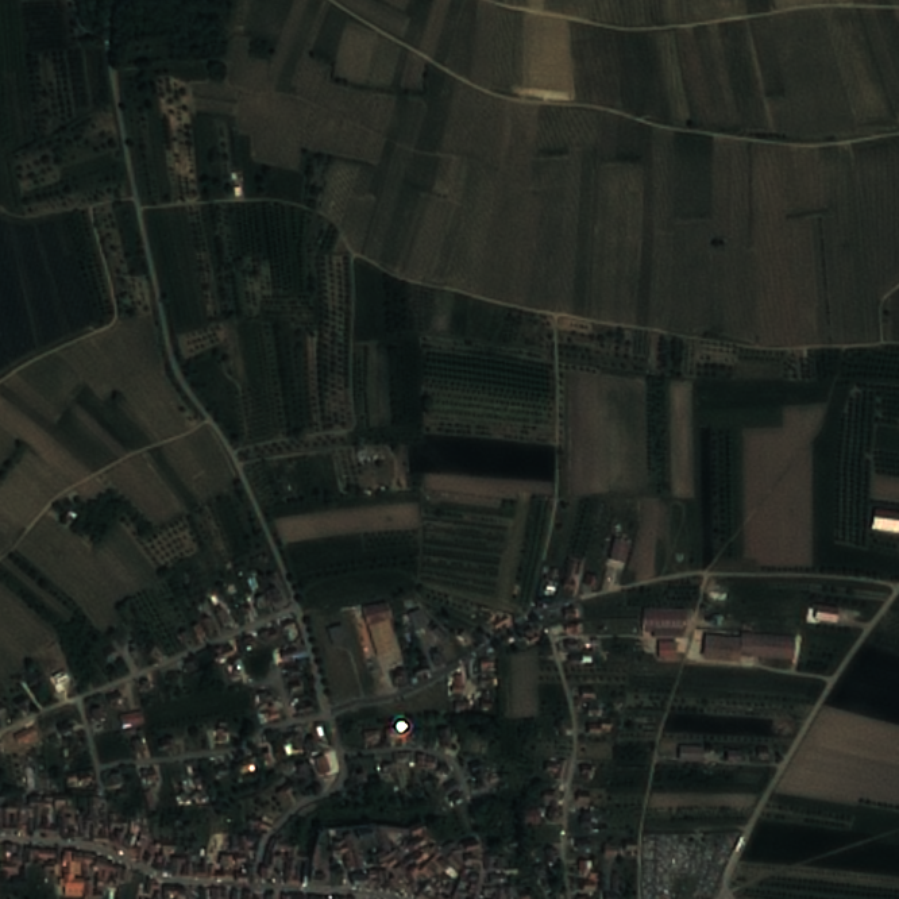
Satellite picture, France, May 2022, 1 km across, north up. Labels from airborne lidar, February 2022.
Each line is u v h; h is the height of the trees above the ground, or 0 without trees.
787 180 0
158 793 0
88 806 0
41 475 0
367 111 0
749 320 0
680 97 0
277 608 0
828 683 0
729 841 0
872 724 0
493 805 16
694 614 0
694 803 0
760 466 0
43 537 0
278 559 0
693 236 0
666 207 0
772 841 0
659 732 0
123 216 0
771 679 0
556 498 0
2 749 0
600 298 0
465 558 0
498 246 0
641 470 0
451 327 0
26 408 0
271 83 0
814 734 0
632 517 0
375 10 0
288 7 0
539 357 0
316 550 0
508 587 0
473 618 0
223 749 0
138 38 16
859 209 0
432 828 12
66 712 0
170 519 0
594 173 0
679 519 0
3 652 0
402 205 0
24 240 0
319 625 0
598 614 0
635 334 0
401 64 0
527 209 0
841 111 0
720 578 0
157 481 0
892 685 0
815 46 0
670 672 0
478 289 0
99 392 0
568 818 0
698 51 0
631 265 0
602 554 0
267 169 12
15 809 0
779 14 0
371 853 6
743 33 0
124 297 7
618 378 0
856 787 0
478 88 0
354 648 0
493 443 0
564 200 0
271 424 0
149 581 0
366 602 0
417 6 0
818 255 0
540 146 0
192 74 0
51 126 0
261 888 0
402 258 0
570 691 0
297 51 0
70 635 6
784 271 0
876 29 0
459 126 0
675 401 0
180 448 0
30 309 0
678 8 0
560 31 0
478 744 0
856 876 0
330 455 0
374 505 0
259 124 0
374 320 0
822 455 0
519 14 0
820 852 0
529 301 0
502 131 0
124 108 9
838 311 0
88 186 0
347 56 0
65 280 0
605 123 0
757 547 0
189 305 0
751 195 0
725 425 0
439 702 0
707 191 0
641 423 0
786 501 0
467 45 0
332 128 0
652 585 0
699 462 0
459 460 0
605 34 0
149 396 0
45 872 0
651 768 0
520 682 0
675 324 0
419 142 0
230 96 0
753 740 0
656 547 0
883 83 0
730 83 0
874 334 0
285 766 0
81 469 0
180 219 0
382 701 0
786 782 0
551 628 0
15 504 0
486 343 0
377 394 0
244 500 13
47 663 0
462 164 0
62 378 0
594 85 0
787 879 0
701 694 0
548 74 0
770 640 0
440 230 0
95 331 0
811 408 0
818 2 0
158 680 0
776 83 0
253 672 0
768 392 0
